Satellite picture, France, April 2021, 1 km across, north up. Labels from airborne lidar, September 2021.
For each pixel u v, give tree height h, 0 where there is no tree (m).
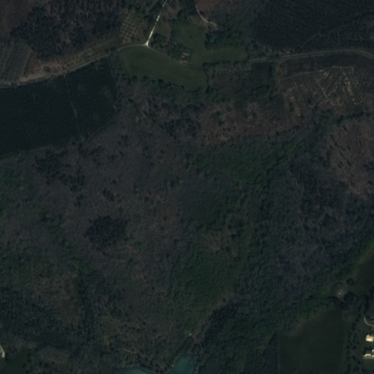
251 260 15
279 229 20
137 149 15
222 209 23
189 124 21
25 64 12
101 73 14
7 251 12
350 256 22
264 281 18
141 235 12
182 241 13
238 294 20
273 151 22
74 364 23
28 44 15
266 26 15
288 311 21
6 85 7
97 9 8
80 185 17
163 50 22
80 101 12
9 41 7
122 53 0
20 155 17
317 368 0
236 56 0
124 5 15
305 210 27
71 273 18
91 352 10
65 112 15
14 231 7
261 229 23
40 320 23
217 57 0
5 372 0
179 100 17
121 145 18
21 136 17
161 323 18
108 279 10
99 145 12
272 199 20
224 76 8
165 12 15
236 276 21
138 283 16
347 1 15
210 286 23
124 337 12
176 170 7
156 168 19
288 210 14
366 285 0
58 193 14
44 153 12
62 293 14
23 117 14
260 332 27
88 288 16
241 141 20
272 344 17
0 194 20
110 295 15
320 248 12
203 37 0
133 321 12
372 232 16
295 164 14
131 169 14
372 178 14
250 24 18
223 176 21
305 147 15
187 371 0
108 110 14
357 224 22
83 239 7
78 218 10
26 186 19
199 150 19
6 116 13
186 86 0
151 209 8
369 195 16
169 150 8
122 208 12
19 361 0
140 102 10
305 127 19
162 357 19
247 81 10
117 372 0
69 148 15
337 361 0
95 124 14
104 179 10
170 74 0
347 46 12
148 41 16
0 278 13
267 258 22
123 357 7
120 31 8
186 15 20
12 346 28
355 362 20
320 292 22
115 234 17
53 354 24
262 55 6
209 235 25
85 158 17
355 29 24
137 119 20
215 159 22
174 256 14
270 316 23
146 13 6
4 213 21
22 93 16
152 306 16
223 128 22
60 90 16
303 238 22
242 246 29
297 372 6
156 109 22
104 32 8
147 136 17
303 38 13
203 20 22
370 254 0
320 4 12
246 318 21
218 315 20
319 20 13
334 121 19
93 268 18
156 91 19
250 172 21
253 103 18
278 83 14
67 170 11
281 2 12
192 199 20
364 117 21
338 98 22
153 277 11
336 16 12
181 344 22
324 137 24
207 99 18
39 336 7
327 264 18
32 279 16
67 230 15
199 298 21
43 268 21
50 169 18
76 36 9
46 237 20
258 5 19
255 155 22
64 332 17
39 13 16
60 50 16
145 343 14
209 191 17
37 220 19
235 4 12
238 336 20
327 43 17
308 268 19
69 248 15
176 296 15
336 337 0
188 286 19
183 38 0
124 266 15
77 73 11
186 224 23
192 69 0
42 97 14
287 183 16
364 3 15
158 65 0
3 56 12
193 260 23
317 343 0
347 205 10
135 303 16
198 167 25
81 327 17
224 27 18
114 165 15
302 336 0
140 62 0
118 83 22
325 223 10
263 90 13
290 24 14
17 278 21
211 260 21
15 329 9
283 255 20
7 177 20
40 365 9
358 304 29
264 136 14
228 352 27
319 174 13
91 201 8
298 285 14
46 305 8
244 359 23
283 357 0
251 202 21
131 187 7
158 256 12
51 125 17
